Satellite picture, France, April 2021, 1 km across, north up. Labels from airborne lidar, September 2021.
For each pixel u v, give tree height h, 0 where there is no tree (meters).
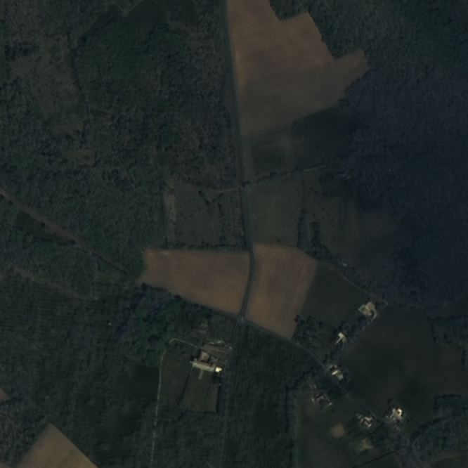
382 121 12
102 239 21
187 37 8
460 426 23
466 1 9
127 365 13
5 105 13
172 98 8
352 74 0
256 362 11
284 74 0
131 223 16
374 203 0
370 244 0
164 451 6
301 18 0
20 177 21
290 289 0
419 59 13
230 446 0
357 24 14
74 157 0
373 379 0
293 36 0
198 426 13
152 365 18
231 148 6
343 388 6
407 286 12
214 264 0
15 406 17
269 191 0
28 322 9
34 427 17
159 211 11
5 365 9
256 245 0
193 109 10
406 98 13
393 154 19
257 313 0
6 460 14
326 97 0
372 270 0
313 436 0
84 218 20
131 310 11
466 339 19
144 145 10
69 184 21
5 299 10
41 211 21
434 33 17
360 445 0
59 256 23
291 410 20
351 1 18
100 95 10
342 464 0
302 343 11
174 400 0
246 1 0
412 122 11
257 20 0
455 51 17
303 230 20
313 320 6
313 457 0
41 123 11
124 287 14
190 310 12
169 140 12
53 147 15
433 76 16
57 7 19
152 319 18
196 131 9
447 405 15
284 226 0
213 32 11
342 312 0
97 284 11
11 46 17
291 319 0
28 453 0
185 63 8
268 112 0
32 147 20
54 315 8
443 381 0
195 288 0
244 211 9
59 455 0
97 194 19
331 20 16
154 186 18
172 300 24
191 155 10
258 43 0
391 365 0
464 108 12
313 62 0
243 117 0
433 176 16
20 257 26
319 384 6
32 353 7
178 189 0
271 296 0
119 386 0
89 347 6
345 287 0
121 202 19
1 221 23
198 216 0
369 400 0
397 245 0
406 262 11
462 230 11
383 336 0
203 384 0
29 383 13
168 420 13
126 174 13
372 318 10
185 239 0
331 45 13
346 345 17
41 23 15
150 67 10
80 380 12
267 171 0
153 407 10
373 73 14
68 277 18
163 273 0
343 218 0
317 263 0
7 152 24
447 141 15
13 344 11
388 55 19
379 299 10
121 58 15
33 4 15
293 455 14
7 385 14
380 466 0
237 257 0
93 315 7
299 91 0
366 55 14
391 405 9
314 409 0
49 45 0
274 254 0
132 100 13
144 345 28
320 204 0
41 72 0
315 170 0
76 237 19
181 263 0
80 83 13
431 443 16
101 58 14
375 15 12
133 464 13
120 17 7
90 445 0
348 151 0
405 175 21
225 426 8
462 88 12
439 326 16
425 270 8
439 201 13
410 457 23
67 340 13
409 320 0
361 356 0
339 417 0
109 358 11
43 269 16
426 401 0
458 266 14
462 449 17
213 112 13
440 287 17
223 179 8
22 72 0
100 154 13
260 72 0
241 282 0
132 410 0
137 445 13
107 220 18
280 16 16
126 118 10
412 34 16
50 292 6
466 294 19
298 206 0
